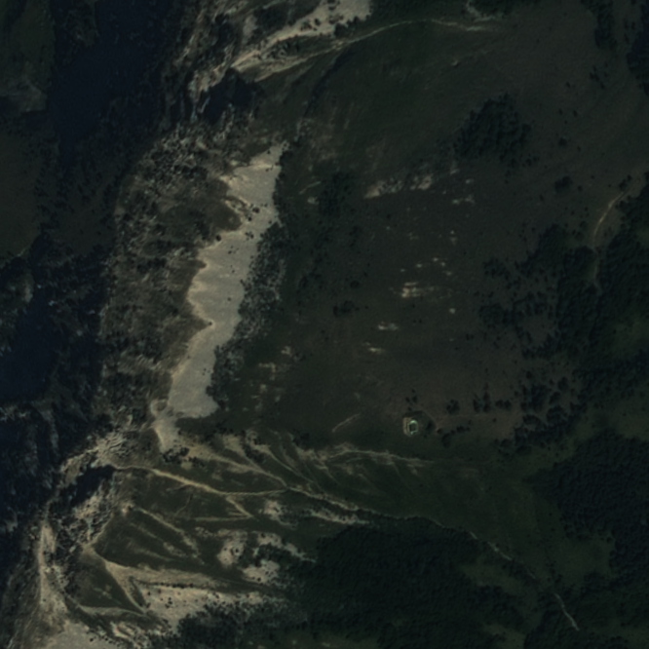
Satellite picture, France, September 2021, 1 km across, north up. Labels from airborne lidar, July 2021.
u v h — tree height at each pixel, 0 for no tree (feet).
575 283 35
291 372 0
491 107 31
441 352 0
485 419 0
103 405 0
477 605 64
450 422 0
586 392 22
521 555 22
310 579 35
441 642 64
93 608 0
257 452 21
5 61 0
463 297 0
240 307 0
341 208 17
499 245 0
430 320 0
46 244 58
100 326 34
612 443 43
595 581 50
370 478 0
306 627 35
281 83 0
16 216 0
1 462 22
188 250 73
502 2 34
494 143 31
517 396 24
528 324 0
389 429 0
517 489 0
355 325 0
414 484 0
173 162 55
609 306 50
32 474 0
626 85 0
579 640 90
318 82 0
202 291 0
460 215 0
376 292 0
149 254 0
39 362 22
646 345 0
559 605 35
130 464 0
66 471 30
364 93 0
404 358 0
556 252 60
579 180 0
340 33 30
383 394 0
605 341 66
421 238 0
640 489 56
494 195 0
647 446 46
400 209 0
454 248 0
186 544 0
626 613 96
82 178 0
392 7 20
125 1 0
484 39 0
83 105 21
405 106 0
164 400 0
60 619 0
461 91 0
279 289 0
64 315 0
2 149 0
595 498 59
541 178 0
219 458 0
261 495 0
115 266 24
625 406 0
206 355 0
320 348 0
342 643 0
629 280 59
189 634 31
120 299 0
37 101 0
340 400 0
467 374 0
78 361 24
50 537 0
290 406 0
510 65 0
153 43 33
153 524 0
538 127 0
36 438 0
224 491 0
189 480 0
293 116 0
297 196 0
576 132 0
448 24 0
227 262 0
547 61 0
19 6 0
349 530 24
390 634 60
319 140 0
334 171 0
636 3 30
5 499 50
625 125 0
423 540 38
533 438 42
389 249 0
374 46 0
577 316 50
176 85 48
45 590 0
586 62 0
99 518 23
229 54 30
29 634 0
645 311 22
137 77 35
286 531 0
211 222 20
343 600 21
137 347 20
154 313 0
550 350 46
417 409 0
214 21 25
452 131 0
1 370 0
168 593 0
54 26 0
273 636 24
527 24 0
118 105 0
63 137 0
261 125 0
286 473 0
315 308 0
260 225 0
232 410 0
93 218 0
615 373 41
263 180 0
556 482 31
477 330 0
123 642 0
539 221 0
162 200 0
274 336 0
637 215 40
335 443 0
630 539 70
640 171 0
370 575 40
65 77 0
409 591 64
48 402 0
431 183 0
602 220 0
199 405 0
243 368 0
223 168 17
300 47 22
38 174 0
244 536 0
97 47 0
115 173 0
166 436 0
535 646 75
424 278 0
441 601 60
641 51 37
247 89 65
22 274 27
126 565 0
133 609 0
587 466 35
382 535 46
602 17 27
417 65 0
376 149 0
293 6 0
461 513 0
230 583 0
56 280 24
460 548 52
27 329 0
